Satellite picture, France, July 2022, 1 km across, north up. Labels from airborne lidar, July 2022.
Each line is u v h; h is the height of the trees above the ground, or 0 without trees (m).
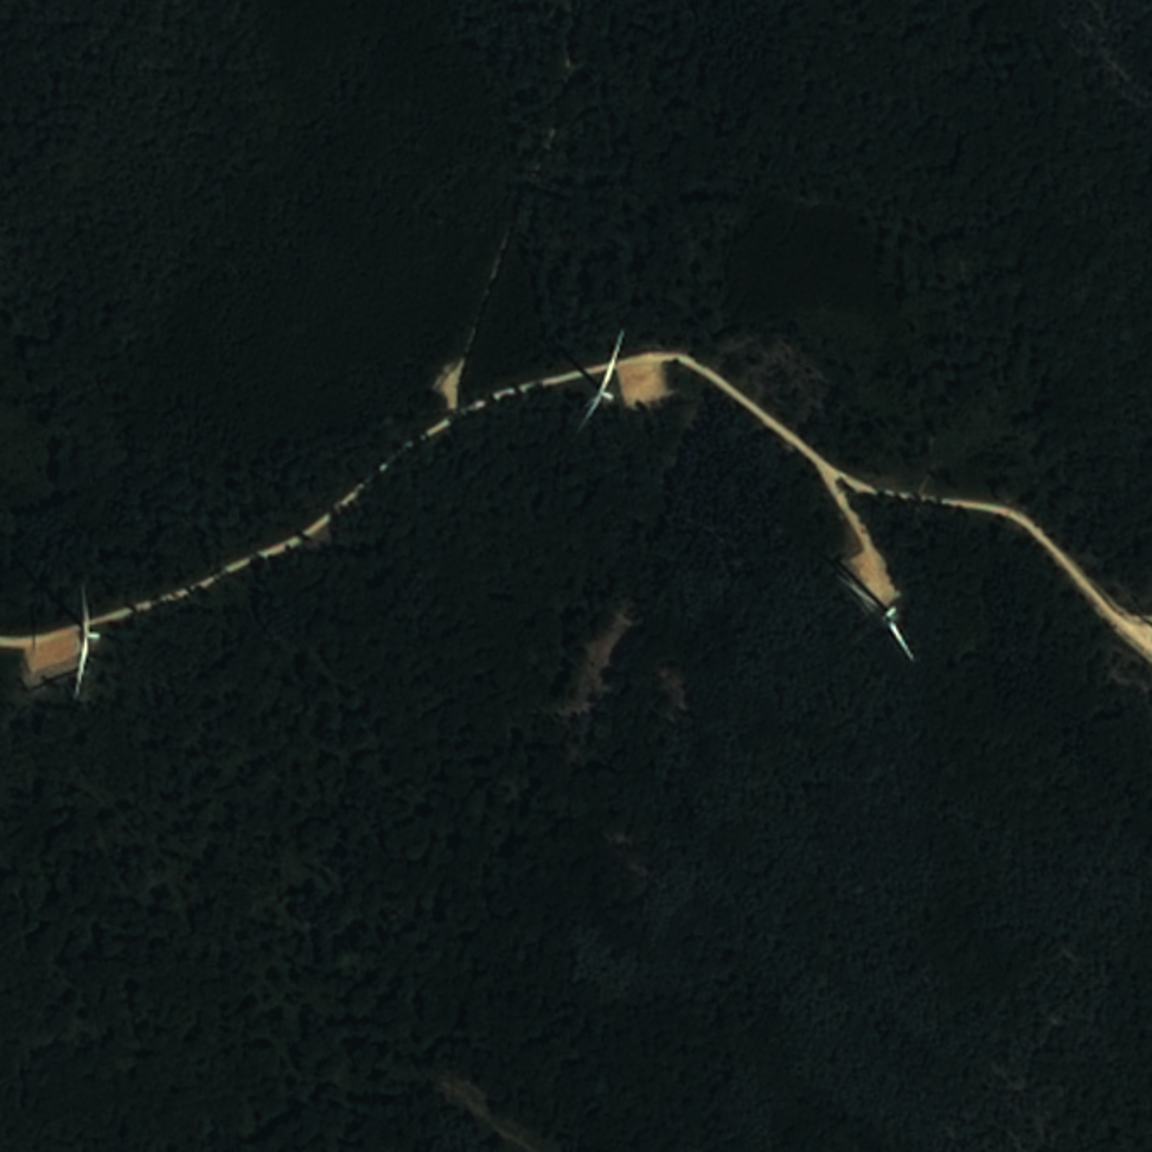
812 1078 22
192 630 19
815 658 24
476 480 19
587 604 28
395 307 12
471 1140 25
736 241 8
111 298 23
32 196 13
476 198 6
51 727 24
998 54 26
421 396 15
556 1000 21
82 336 33
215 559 19
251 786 23
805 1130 26
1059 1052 22
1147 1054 25
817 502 26
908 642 17
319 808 8
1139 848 23
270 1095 23
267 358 15
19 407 18
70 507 30
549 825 18
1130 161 20
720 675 24
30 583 28
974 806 17
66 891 25
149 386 18
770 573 28
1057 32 21
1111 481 20
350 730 28
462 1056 27
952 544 22
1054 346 19
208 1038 25
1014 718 26
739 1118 22
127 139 17
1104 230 20
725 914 25
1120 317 17
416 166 9
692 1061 18
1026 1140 20
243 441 17
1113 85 16
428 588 23
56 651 0
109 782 22
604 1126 27
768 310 11
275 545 0
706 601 20
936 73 16
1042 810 21
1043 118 23
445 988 28
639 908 21
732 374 20
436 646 25
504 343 8
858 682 21
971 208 21
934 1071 18
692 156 27
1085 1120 21
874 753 19
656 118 22
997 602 17
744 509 19
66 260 22
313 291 13
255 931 25
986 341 13
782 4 18
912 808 22
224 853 27
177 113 16
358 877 28
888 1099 21
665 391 0
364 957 27
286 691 26
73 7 21
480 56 28
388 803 27
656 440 21
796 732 23
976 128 21
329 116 17
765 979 24
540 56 25
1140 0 18
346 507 0
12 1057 23
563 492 22
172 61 21
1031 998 18
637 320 23
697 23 14
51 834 7
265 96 22
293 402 15
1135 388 17
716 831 23
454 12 12
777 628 21
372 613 26
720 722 24
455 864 28
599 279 25
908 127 19
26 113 21
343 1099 29
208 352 19
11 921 23
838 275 9
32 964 19
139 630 17
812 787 22
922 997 19
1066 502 21
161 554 20
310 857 29
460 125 6
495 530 20
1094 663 13
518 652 26
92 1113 21
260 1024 27
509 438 22
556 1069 18
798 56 15
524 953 21
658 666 21
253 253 16
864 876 18
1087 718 22
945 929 24
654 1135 19
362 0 19
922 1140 9
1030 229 23
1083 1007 22
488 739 30
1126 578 19
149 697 21
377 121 13
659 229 27
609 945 20
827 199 23
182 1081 21
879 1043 17
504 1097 25
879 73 17
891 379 23
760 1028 21
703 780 27
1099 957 24
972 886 24
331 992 28
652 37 25
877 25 18
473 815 29
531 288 9
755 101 22
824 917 24
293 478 23
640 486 25
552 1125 24
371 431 21
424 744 26
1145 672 11
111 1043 22
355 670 25
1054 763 20
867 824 19
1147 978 19
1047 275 24
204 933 22
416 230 14
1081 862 20
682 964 20
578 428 21
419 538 21
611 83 23
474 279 6
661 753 22
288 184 19
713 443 22
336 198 18
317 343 13
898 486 0
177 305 18
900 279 6
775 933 23
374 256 14
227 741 19
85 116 17
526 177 18
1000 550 26
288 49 14
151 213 16
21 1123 23
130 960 22
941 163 7
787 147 20
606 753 22
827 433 26
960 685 23
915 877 20
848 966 24
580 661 29
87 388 33
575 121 22
